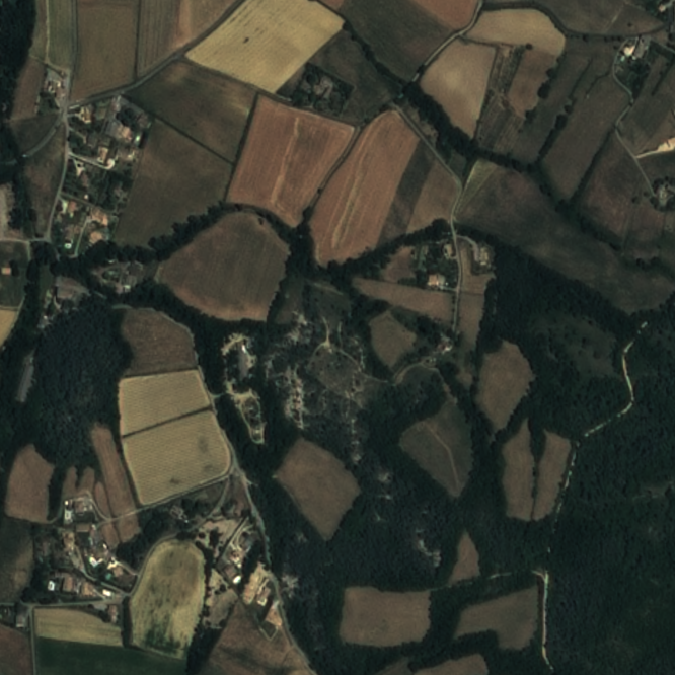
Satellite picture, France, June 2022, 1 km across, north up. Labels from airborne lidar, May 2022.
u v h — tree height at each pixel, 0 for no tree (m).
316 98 6
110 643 0
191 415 0
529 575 12
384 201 0
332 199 0
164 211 0
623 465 6
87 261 14
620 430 6
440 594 9
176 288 0
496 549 8
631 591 7
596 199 0
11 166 11
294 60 0
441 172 0
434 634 15
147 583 0
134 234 0
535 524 15
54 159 0
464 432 0
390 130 0
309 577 13
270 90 0
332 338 9
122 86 0
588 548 10
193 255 0
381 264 7
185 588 0
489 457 18
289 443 9
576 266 0
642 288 0
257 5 0
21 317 7
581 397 14
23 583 0
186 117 0
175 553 0
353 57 0
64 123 0
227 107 0
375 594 0
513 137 0
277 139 0
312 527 9
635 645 7
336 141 0
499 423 0
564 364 9
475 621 0
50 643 0
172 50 0
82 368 14
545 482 0
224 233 0
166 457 0
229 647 0
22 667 0
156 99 0
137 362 0
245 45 0
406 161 0
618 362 9
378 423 6
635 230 0
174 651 0
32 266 12
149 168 0
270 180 0
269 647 0
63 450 7
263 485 9
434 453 0
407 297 0
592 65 0
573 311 15
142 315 0
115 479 0
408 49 0
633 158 0
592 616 7
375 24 0
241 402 0
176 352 0
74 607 0
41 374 6
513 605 0
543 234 0
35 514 0
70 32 0
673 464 7
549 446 0
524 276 14
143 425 0
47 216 0
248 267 0
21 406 6
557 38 0
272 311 13
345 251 0
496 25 0
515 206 0
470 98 0
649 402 14
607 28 0
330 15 0
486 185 0
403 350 0
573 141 0
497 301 8
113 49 0
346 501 0
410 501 7
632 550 11
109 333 18
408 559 11
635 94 8
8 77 17
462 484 0
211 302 0
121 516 0
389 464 13
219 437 0
